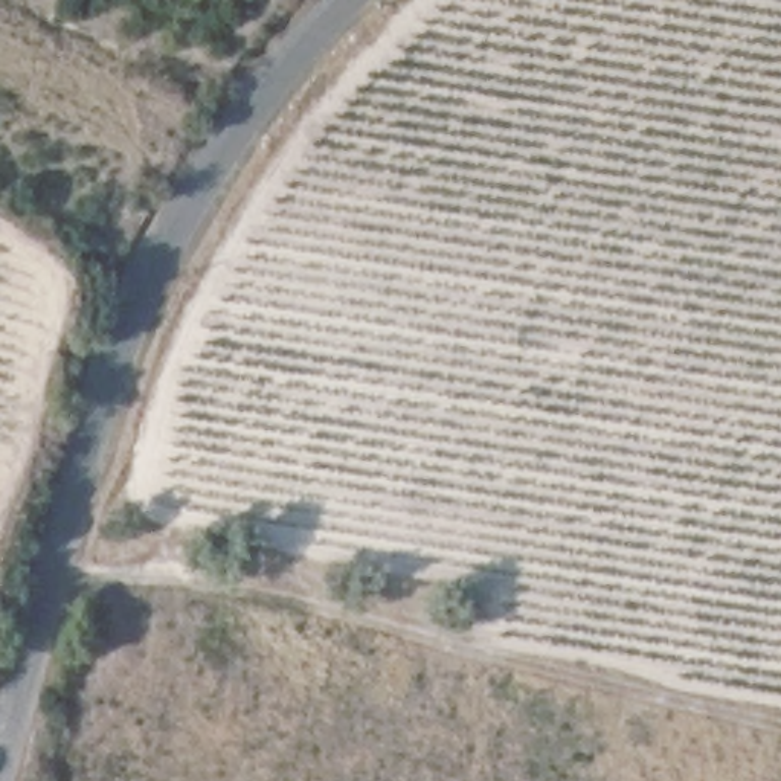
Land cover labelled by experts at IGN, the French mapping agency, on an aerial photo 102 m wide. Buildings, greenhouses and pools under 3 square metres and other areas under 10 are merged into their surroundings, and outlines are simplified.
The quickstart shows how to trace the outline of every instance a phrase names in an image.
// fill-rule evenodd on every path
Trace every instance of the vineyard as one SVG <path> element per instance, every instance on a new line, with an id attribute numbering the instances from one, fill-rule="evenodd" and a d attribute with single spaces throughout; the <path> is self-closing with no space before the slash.
<path id="1" fill-rule="evenodd" d="M 256 226 L 256 232 L 250 235 L 247 244 L 302 250 L 308 253 L 308 262 L 268 253 L 247 253 L 244 262 L 235 265 L 232 290 L 217 302 L 217 308 L 204 314 L 201 326 L 207 329 L 207 342 L 195 363 L 183 366 L 180 403 L 186 415 L 180 418 L 171 470 L 165 476 L 168 494 L 186 500 L 186 506 L 174 519 L 177 528 L 201 528 L 217 525 L 229 513 L 241 513 L 244 540 L 256 534 L 265 546 L 278 546 L 284 552 L 293 552 L 296 558 L 305 552 L 314 561 L 333 561 L 357 558 L 363 567 L 378 570 L 384 577 L 384 598 L 409 598 L 424 586 L 439 592 L 452 580 L 464 580 L 464 601 L 473 607 L 479 622 L 516 619 L 528 622 L 528 632 L 503 632 L 503 638 L 671 662 L 683 680 L 781 696 L 781 0 L 448 0 L 436 6 L 433 15 L 424 21 L 424 31 L 415 34 L 409 46 L 403 46 L 403 58 L 391 61 L 384 70 L 372 70 L 366 76 L 366 85 L 357 85 L 345 110 L 329 116 L 329 122 L 320 128 L 320 137 L 305 153 L 305 168 L 296 168 L 290 183 L 284 186 L 284 195 L 275 198 L 278 204 L 268 217 L 268 226 Z"/>

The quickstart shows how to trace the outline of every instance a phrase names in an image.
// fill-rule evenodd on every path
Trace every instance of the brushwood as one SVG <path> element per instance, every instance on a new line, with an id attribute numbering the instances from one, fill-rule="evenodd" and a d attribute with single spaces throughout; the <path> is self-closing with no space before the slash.
<path id="1" fill-rule="evenodd" d="M 43 12 L 31 9 L 21 0 L 0 0 L 0 3 L 12 15 L 21 15 L 43 34 L 49 34 L 61 49 L 70 43 L 82 43 L 88 49 L 85 61 L 92 67 L 107 67 L 107 61 L 116 58 L 113 49 L 104 49 L 92 34 L 64 31 L 61 24 L 49 21 Z"/>
<path id="2" fill-rule="evenodd" d="M 64 143 L 52 140 L 43 131 L 24 131 L 27 153 L 12 159 L 15 171 L 37 174 L 64 171 L 64 159 L 92 156 L 98 146 Z"/>
<path id="3" fill-rule="evenodd" d="M 211 122 L 223 73 L 214 76 L 198 64 L 153 52 L 140 52 L 137 61 L 125 61 L 125 76 L 143 76 L 149 82 L 168 79 L 186 101 L 183 122 L 168 128 L 168 137 L 177 143 L 174 168 L 192 171 L 192 153 L 201 149 L 214 134 Z"/>
<path id="4" fill-rule="evenodd" d="M 88 223 L 119 223 L 122 207 L 143 211 L 153 211 L 162 201 L 174 198 L 168 189 L 171 171 L 162 165 L 143 165 L 134 186 L 107 180 L 101 192 L 79 198 L 73 214 L 85 217 Z"/>

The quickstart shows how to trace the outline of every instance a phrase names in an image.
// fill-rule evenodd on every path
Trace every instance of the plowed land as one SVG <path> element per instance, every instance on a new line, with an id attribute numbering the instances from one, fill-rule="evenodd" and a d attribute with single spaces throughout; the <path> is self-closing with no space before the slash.
<path id="1" fill-rule="evenodd" d="M 528 622 L 516 619 L 479 622 L 470 628 L 473 641 L 491 662 L 497 662 L 497 656 L 513 653 L 580 659 L 589 665 L 641 674 L 680 693 L 705 693 L 717 699 L 781 708 L 781 696 L 683 680 L 671 662 L 503 638 L 503 632 L 528 632 Z"/>
<path id="2" fill-rule="evenodd" d="M 31 238 L 15 220 L 0 223 L 0 537 L 6 531 L 15 531 L 24 519 L 27 464 L 40 433 L 40 415 L 46 409 L 46 381 L 49 369 L 58 360 L 61 333 L 73 320 L 73 272 L 70 268 L 64 265 L 64 259 L 46 250 L 43 241 Z"/>
<path id="3" fill-rule="evenodd" d="M 201 326 L 204 314 L 217 308 L 217 302 L 232 290 L 235 265 L 244 262 L 247 253 L 268 253 L 308 262 L 308 253 L 302 250 L 247 244 L 250 235 L 256 232 L 256 226 L 268 226 L 268 217 L 278 204 L 275 198 L 284 195 L 284 186 L 290 183 L 296 168 L 305 168 L 305 153 L 320 137 L 320 128 L 329 122 L 329 116 L 345 110 L 357 85 L 366 85 L 366 76 L 372 70 L 384 70 L 391 61 L 403 58 L 403 46 L 409 46 L 415 34 L 424 31 L 424 21 L 433 15 L 436 6 L 448 0 L 412 0 L 387 21 L 381 37 L 345 67 L 339 82 L 329 85 L 326 95 L 302 116 L 278 159 L 268 165 L 268 171 L 250 192 L 226 244 L 217 250 L 211 272 L 201 278 L 195 299 L 183 311 L 180 329 L 174 333 L 162 375 L 149 397 L 134 452 L 134 467 L 125 485 L 131 500 L 140 503 L 143 513 L 156 519 L 162 528 L 174 519 L 186 506 L 186 500 L 168 494 L 165 476 L 171 470 L 180 418 L 186 415 L 180 403 L 183 366 L 195 363 L 207 342 L 207 329 Z"/>

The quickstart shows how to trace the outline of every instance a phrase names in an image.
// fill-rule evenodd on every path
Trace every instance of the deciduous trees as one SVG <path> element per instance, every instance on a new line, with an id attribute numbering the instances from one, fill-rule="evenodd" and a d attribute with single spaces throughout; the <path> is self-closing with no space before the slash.
<path id="1" fill-rule="evenodd" d="M 46 717 L 61 711 L 64 723 L 76 732 L 82 723 L 82 689 L 101 659 L 85 647 L 95 635 L 95 625 L 85 610 L 95 604 L 98 589 L 104 586 L 104 580 L 88 577 L 70 601 L 67 616 L 55 635 L 55 644 L 46 650 L 52 656 L 46 689 L 40 699 Z"/>
<path id="2" fill-rule="evenodd" d="M 119 27 L 122 37 L 140 40 L 159 31 L 165 37 L 174 37 L 174 43 L 180 43 L 183 49 L 204 46 L 211 55 L 220 58 L 238 49 L 238 43 L 244 40 L 238 37 L 238 27 L 256 18 L 268 0 L 58 0 L 58 9 L 70 18 L 92 18 L 116 6 L 125 6 L 131 9 L 131 15 Z"/>
<path id="3" fill-rule="evenodd" d="M 162 528 L 156 519 L 143 513 L 140 503 L 131 500 L 104 525 L 101 537 L 134 540 L 140 534 L 153 534 Z"/>
<path id="4" fill-rule="evenodd" d="M 256 534 L 244 540 L 241 513 L 229 513 L 217 525 L 201 528 L 186 549 L 186 564 L 201 574 L 253 577 L 259 570 L 256 555 L 265 546 Z"/>
<path id="5" fill-rule="evenodd" d="M 85 253 L 85 241 L 73 229 L 55 229 L 49 217 L 37 217 L 37 174 L 15 171 L 12 159 L 0 146 L 0 223 L 15 220 L 31 238 L 43 241 L 46 250 L 64 259 L 64 265 L 70 268 Z"/>
<path id="6" fill-rule="evenodd" d="M 464 601 L 464 580 L 452 580 L 439 592 L 430 601 L 430 622 L 452 632 L 470 628 L 479 622 L 473 607 Z"/>
<path id="7" fill-rule="evenodd" d="M 333 561 L 326 570 L 326 586 L 336 601 L 366 613 L 372 598 L 384 598 L 384 577 L 378 570 L 363 567 L 357 558 Z"/>
<path id="8" fill-rule="evenodd" d="M 73 272 L 73 320 L 61 333 L 58 360 L 49 369 L 46 381 L 46 409 L 40 415 L 40 433 L 27 464 L 24 519 L 15 531 L 6 531 L 0 537 L 0 665 L 15 665 L 15 653 L 21 644 L 18 622 L 24 619 L 31 595 L 27 574 L 40 549 L 34 534 L 43 528 L 46 503 L 52 497 L 46 476 L 58 461 L 61 442 L 76 424 L 79 394 L 67 384 L 79 375 L 82 360 L 88 354 L 110 351 L 110 323 L 116 314 L 116 275 L 107 275 L 98 262 L 92 262 L 79 262 Z"/>

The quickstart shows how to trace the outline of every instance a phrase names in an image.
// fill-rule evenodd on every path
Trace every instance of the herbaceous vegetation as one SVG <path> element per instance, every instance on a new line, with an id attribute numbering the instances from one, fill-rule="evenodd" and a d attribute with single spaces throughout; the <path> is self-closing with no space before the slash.
<path id="1" fill-rule="evenodd" d="M 43 34 L 21 15 L 12 15 L 0 3 L 0 146 L 12 159 L 27 153 L 24 131 L 43 131 L 52 140 L 64 143 L 98 146 L 92 156 L 64 159 L 64 171 L 37 174 L 37 217 L 49 217 L 55 229 L 73 229 L 85 241 L 85 253 L 70 268 L 73 272 L 79 262 L 92 262 L 95 253 L 131 250 L 143 211 L 122 207 L 119 223 L 88 223 L 85 217 L 73 214 L 79 198 L 101 192 L 107 180 L 134 186 L 143 165 L 162 165 L 171 171 L 174 168 L 177 143 L 168 137 L 168 128 L 183 122 L 186 101 L 168 79 L 149 82 L 143 76 L 125 76 L 125 61 L 137 61 L 140 52 L 153 52 L 198 64 L 214 76 L 223 73 L 229 73 L 232 67 L 247 67 L 253 73 L 256 61 L 268 52 L 272 40 L 290 27 L 290 21 L 305 9 L 308 0 L 268 0 L 256 18 L 238 27 L 238 37 L 244 40 L 238 43 L 238 49 L 220 58 L 211 55 L 204 46 L 183 49 L 180 43 L 174 43 L 174 37 L 165 37 L 159 31 L 140 40 L 122 37 L 119 27 L 131 15 L 131 9 L 125 6 L 116 6 L 92 18 L 70 18 L 58 9 L 58 0 L 21 0 L 31 9 L 43 12 L 49 21 L 61 24 L 64 31 L 92 34 L 104 49 L 113 49 L 116 58 L 107 61 L 107 67 L 92 67 L 85 61 L 88 49 L 82 43 L 70 43 L 61 49 L 49 34 Z"/>
<path id="2" fill-rule="evenodd" d="M 98 433 L 98 448 L 92 452 L 92 528 L 85 537 L 70 540 L 70 564 L 88 577 L 104 580 L 104 586 L 98 589 L 95 604 L 85 610 L 95 625 L 95 635 L 85 647 L 101 659 L 82 689 L 82 723 L 76 732 L 64 723 L 61 711 L 46 717 L 46 732 L 37 735 L 40 772 L 31 781 L 781 781 L 781 708 L 717 699 L 705 693 L 680 693 L 641 674 L 589 665 L 580 659 L 513 653 L 497 656 L 497 662 L 491 662 L 473 641 L 470 628 L 452 632 L 430 622 L 430 601 L 439 592 L 424 586 L 409 598 L 384 598 L 372 598 L 366 613 L 336 601 L 326 586 L 326 570 L 333 561 L 314 561 L 305 552 L 296 558 L 293 552 L 284 552 L 278 546 L 265 546 L 256 555 L 259 570 L 253 577 L 201 574 L 186 564 L 186 549 L 201 528 L 177 528 L 174 519 L 162 528 L 153 534 L 140 534 L 134 540 L 101 537 L 104 525 L 131 500 L 125 485 L 134 467 L 134 452 L 149 397 L 162 375 L 174 333 L 180 329 L 183 311 L 195 299 L 201 278 L 211 272 L 217 250 L 226 244 L 250 192 L 268 171 L 268 165 L 278 159 L 302 116 L 326 95 L 329 85 L 339 82 L 345 67 L 381 37 L 387 21 L 412 0 L 366 0 L 363 9 L 348 18 L 345 31 L 268 110 L 268 116 L 256 119 L 256 149 L 250 162 L 241 168 L 238 180 L 226 192 L 223 207 L 217 211 L 195 253 L 180 259 L 177 281 L 168 284 L 162 323 L 153 329 L 143 366 L 137 369 L 137 400 L 131 406 L 116 409 L 116 415 Z"/>

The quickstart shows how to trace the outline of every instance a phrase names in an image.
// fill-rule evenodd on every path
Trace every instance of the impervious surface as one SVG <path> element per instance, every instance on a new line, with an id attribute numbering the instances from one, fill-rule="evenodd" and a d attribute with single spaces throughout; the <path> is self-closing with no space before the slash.
<path id="1" fill-rule="evenodd" d="M 40 699 L 46 689 L 52 656 L 46 650 L 55 644 L 55 635 L 67 616 L 70 601 L 88 577 L 70 564 L 70 540 L 85 537 L 92 528 L 92 452 L 98 448 L 98 433 L 116 415 L 116 409 L 131 406 L 137 400 L 137 369 L 143 366 L 153 329 L 162 323 L 168 284 L 177 281 L 180 259 L 195 253 L 217 211 L 223 207 L 226 192 L 238 180 L 241 168 L 250 162 L 256 149 L 256 119 L 268 116 L 268 110 L 345 31 L 348 18 L 363 9 L 366 0 L 308 0 L 305 9 L 290 21 L 290 27 L 272 40 L 268 52 L 256 61 L 253 73 L 247 67 L 232 67 L 229 73 L 223 73 L 211 122 L 214 134 L 201 149 L 192 153 L 192 171 L 174 168 L 171 171 L 168 189 L 174 198 L 162 201 L 153 211 L 143 211 L 131 250 L 95 253 L 92 262 L 98 262 L 107 275 L 116 275 L 116 314 L 110 323 L 110 351 L 88 354 L 82 360 L 79 375 L 67 384 L 79 394 L 76 424 L 61 442 L 58 461 L 46 476 L 52 497 L 46 503 L 43 528 L 34 534 L 40 549 L 27 574 L 31 595 L 24 619 L 18 622 L 21 644 L 15 653 L 15 665 L 0 665 L 0 781 L 31 781 L 40 772 L 37 735 L 46 732 L 46 717 Z"/>

